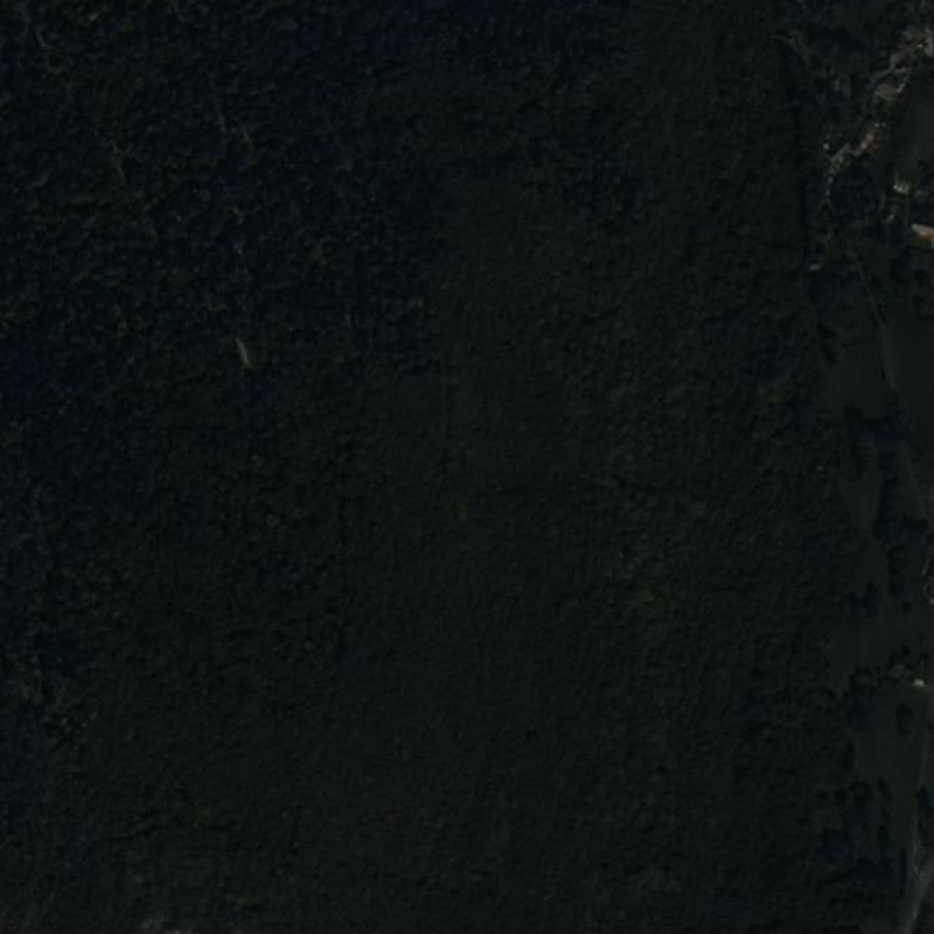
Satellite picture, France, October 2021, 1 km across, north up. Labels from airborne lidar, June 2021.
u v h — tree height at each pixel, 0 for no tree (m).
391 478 19
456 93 22
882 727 0
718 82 22
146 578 22
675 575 21
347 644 19
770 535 22
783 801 27
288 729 26
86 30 9
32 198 20
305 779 23
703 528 25
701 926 14
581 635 21
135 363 21
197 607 25
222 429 26
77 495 23
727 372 25
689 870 23
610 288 26
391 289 27
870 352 0
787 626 20
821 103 18
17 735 16
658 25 21
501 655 16
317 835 21
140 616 26
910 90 7
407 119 16
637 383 26
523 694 21
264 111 22
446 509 20
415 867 17
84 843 21
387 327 22
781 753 24
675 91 15
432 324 20
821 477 19
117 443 20
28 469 24
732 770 10
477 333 23
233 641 24
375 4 23
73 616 22
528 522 20
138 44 27
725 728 16
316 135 25
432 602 22
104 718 25
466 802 17
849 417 0
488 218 21
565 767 25
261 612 23
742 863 15
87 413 19
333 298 18
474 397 20
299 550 22
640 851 26
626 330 25
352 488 22
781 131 21
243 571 25
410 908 16
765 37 21
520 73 23
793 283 27
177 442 27
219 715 23
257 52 22
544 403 25
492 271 24
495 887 24
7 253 26
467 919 25
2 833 18
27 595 28
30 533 16
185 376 24
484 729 16
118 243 20
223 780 20
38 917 9
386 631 24
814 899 21
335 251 26
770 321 18
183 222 18
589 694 23
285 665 25
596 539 19
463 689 19
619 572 23
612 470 25
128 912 10
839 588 20
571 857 26
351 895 17
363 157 14
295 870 18
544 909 28
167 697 22
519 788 22
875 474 0
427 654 21
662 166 24
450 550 18
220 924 20
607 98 27
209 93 21
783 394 21
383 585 27
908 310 0
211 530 26
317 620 23
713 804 19
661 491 24
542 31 19
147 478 22
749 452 17
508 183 22
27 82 29
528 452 20
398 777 21
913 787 0
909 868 11
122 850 18
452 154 21
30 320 7
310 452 23
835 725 23
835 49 22
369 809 21
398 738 24
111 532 21
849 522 23
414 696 19
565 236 22
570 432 23
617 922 23
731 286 19
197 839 21
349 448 16
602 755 26
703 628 18
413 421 24
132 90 24
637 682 21
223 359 21
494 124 27
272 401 22
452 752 20
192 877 13
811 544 23
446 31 30
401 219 24
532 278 22
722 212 21
